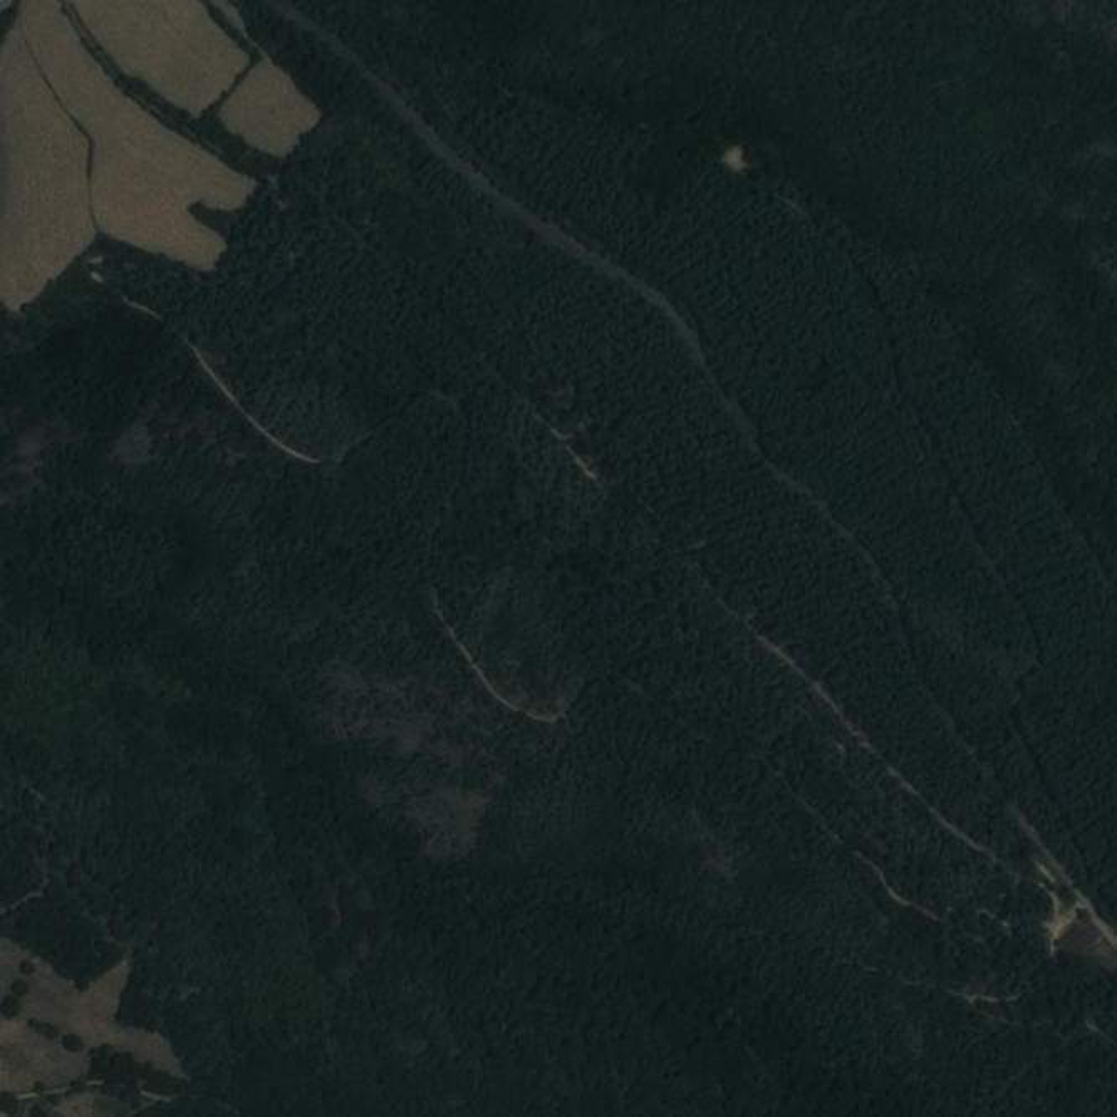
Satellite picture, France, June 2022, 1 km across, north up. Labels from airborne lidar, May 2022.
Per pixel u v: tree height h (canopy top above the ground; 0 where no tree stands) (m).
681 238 30
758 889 14
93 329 8
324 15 15
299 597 12
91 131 0
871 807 14
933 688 19
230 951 12
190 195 0
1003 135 16
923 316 21
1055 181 11
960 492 30
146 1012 11
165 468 17
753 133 20
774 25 15
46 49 0
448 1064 13
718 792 13
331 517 19
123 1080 14
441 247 14
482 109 19
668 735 26
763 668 19
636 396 31
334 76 10
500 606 12
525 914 20
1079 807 32
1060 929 0
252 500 12
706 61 15
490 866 8
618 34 10
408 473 24
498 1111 15
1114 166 15
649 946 25
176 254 0
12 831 16
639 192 16
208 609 8
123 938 16
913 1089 17
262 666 15
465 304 22
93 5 0
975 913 16
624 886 20
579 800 15
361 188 15
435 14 18
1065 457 15
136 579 21
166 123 8
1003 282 11
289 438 12
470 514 8
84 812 13
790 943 31
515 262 26
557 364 25
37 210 0
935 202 9
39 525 17
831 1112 23
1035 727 25
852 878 17
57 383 22
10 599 18
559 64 15
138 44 0
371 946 7
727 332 20
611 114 23
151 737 12
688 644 9
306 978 11
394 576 22
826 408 33
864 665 30
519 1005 20
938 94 12
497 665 9
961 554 29
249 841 11
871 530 29
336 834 16
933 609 28
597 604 31
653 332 27
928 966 16
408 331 30
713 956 32
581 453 17
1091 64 15
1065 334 18
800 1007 25
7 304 0
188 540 16
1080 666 26
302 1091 19
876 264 28
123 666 15
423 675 8
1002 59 13
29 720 13
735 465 27
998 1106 19
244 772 11
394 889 11
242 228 10
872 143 6
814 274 23
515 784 9
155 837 14
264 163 9
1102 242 10
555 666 9
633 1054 19
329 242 27
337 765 10
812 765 19
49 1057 0
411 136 12
